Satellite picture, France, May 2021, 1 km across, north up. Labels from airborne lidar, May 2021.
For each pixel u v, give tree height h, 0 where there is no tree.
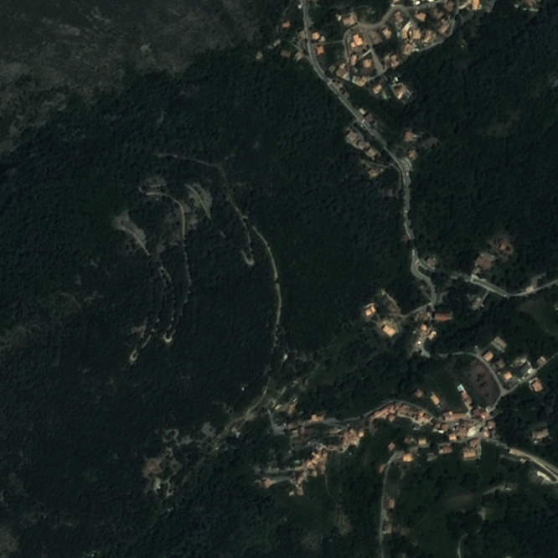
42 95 11
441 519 0
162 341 10
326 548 15
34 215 17
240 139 9
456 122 14
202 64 14
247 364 13
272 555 11
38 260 26
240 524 8
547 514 15
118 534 10
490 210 19
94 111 11
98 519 9
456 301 15
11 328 11
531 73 13
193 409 15
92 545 16
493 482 11
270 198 7
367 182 21
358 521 11
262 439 8
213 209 14
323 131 15
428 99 24
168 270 14
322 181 23
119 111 9
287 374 8
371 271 16
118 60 7
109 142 13
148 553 10
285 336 8
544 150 14
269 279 12
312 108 26
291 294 9
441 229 11
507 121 7
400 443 7
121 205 16
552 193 19
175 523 15
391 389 0
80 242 27
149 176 11
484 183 14
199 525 19
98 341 17
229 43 8
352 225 23
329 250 7
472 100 12
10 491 10
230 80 20
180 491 9
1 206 12
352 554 7
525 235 12
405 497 0
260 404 0
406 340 9
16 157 14
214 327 17
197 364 12
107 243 18
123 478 11
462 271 17
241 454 16
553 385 18
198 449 12
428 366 19
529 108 12
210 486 13
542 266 18
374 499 17
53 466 13
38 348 11
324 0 6
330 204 13
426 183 14
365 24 0
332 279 7
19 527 8
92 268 11
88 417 13
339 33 12
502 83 15
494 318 18
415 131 10
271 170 11
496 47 11
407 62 7
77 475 15
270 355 13
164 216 12
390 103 18
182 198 8
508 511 13
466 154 6
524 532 16
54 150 15
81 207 21
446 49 11
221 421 11
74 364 9
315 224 7
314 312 11
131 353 11
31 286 16
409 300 12
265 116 7
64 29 0
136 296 22
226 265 22
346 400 9
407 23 0
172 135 9
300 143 18
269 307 13
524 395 0
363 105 8
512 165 16
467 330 16
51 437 12
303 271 6
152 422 13
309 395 6
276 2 9
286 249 6
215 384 14
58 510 12
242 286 20
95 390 12
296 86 12
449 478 15
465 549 0
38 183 18
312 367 10
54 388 8
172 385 13
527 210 26
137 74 6
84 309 8
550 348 7
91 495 14
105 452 13
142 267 9
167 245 12
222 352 17
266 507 17
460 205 20
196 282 15
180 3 0
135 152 15
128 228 0
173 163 12
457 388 0
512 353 6
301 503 0
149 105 10
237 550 8
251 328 10
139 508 7
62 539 10
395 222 19
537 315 0
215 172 9
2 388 19
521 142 15
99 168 18
